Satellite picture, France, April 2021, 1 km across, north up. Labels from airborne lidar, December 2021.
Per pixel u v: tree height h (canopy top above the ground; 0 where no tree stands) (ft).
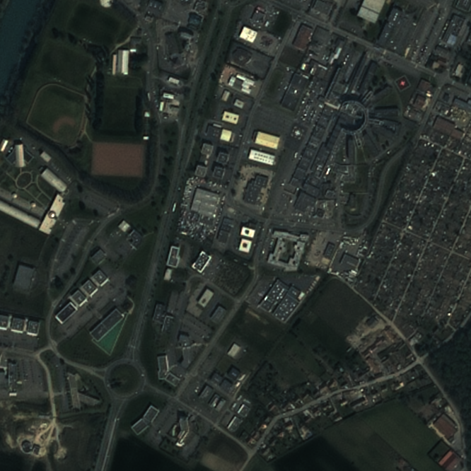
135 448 0
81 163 0
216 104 0
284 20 0
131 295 23
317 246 0
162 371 0
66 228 0
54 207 0
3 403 0
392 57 0
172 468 0
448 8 0
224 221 0
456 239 0
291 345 0
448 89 0
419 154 0
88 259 0
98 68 41
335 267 0
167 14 0
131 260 0
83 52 0
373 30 0
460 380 61
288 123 0
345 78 0
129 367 0
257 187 0
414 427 0
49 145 80
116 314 0
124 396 0
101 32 0
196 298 0
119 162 0
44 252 0
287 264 0
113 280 0
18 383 0
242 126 0
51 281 0
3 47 0
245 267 0
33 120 0
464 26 0
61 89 0
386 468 0
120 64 0
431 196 0
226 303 0
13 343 0
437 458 32
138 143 0
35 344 0
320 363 21
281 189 0
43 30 105
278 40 0
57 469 0
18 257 0
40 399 0
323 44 0
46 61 0
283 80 0
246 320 0
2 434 0
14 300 0
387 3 0
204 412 0
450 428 0
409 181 0
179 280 0
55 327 0
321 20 0
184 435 0
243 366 0
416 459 0
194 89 0
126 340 0
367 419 0
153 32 0
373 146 0
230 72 0
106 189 89
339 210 0
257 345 0
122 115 0
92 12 0
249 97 0
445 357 68
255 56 0
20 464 0
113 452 0
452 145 0
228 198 0
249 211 0
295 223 0
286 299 0
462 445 0
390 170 0
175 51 0
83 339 0
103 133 0
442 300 0
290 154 0
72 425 0
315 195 0
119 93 0
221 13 31
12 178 0
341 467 0
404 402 41
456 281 0
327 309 0
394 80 0
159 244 0
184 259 0
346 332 0
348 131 0
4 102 44
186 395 0
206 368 0
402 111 0
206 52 0
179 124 0
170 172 0
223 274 0
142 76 0
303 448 0
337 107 0
